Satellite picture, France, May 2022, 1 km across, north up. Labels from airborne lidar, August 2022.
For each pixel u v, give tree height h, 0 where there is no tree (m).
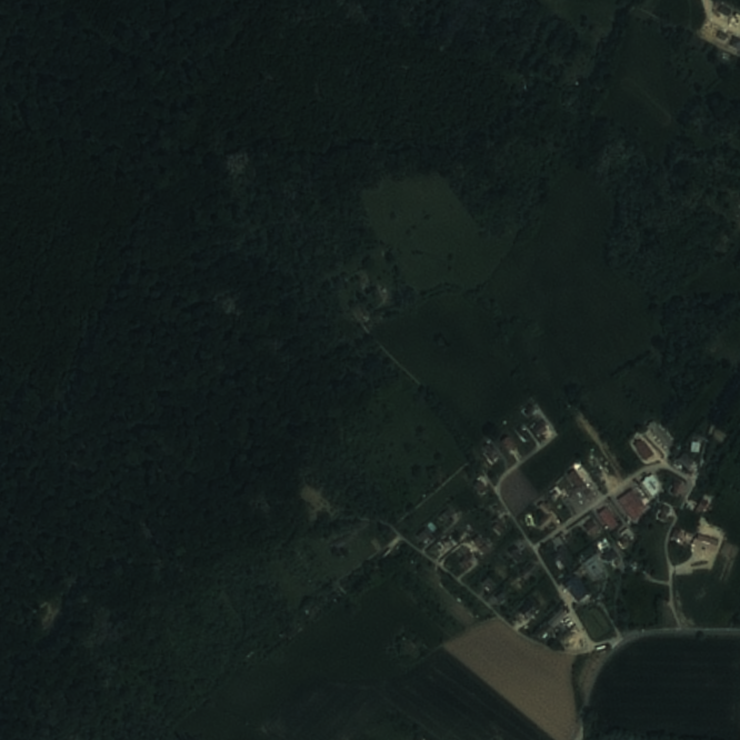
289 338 24
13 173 15
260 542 17
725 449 11
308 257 21
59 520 30
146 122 28
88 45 27
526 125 21
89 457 27
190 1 29
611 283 0
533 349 0
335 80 10
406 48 10
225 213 36
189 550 27
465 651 0
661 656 0
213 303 30
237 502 34
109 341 27
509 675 0
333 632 0
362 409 8
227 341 31
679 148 18
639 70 0
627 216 18
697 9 0
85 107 30
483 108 14
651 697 0
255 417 20
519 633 0
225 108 12
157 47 27
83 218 17
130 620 20
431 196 0
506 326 15
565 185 0
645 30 0
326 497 16
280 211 19
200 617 14
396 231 0
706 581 0
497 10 25
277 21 13
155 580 26
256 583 10
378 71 10
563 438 0
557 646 12
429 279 0
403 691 0
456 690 0
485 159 19
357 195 13
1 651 31
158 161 27
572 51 21
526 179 8
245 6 13
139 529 32
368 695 0
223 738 0
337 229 13
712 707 0
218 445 30
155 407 30
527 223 6
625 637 0
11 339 17
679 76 7
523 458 0
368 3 24
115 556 27
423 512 0
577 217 0
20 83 25
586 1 0
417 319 0
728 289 0
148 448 28
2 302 12
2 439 27
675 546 8
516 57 18
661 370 9
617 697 0
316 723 0
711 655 0
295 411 29
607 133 21
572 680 0
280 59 10
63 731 29
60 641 33
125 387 27
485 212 17
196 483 29
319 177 26
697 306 20
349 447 8
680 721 0
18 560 28
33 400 30
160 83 27
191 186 32
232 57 12
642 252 26
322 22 12
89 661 19
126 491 30
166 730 10
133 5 25
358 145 21
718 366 8
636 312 0
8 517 31
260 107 12
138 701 14
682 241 11
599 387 0
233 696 0
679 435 7
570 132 13
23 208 11
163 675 8
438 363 0
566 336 0
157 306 30
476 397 0
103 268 14
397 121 10
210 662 8
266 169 31
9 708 33
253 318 35
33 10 29
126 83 24
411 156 26
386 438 0
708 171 21
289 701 0
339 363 15
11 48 29
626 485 0
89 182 10
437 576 0
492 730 0
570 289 0
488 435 16
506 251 0
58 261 9
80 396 27
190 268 29
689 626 0
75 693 26
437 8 24
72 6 8
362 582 20
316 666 0
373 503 17
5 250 13
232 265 28
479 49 30
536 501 0
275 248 28
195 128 15
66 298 8
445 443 0
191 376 30
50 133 28
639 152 20
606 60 9
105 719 12
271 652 7
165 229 23
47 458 31
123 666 10
